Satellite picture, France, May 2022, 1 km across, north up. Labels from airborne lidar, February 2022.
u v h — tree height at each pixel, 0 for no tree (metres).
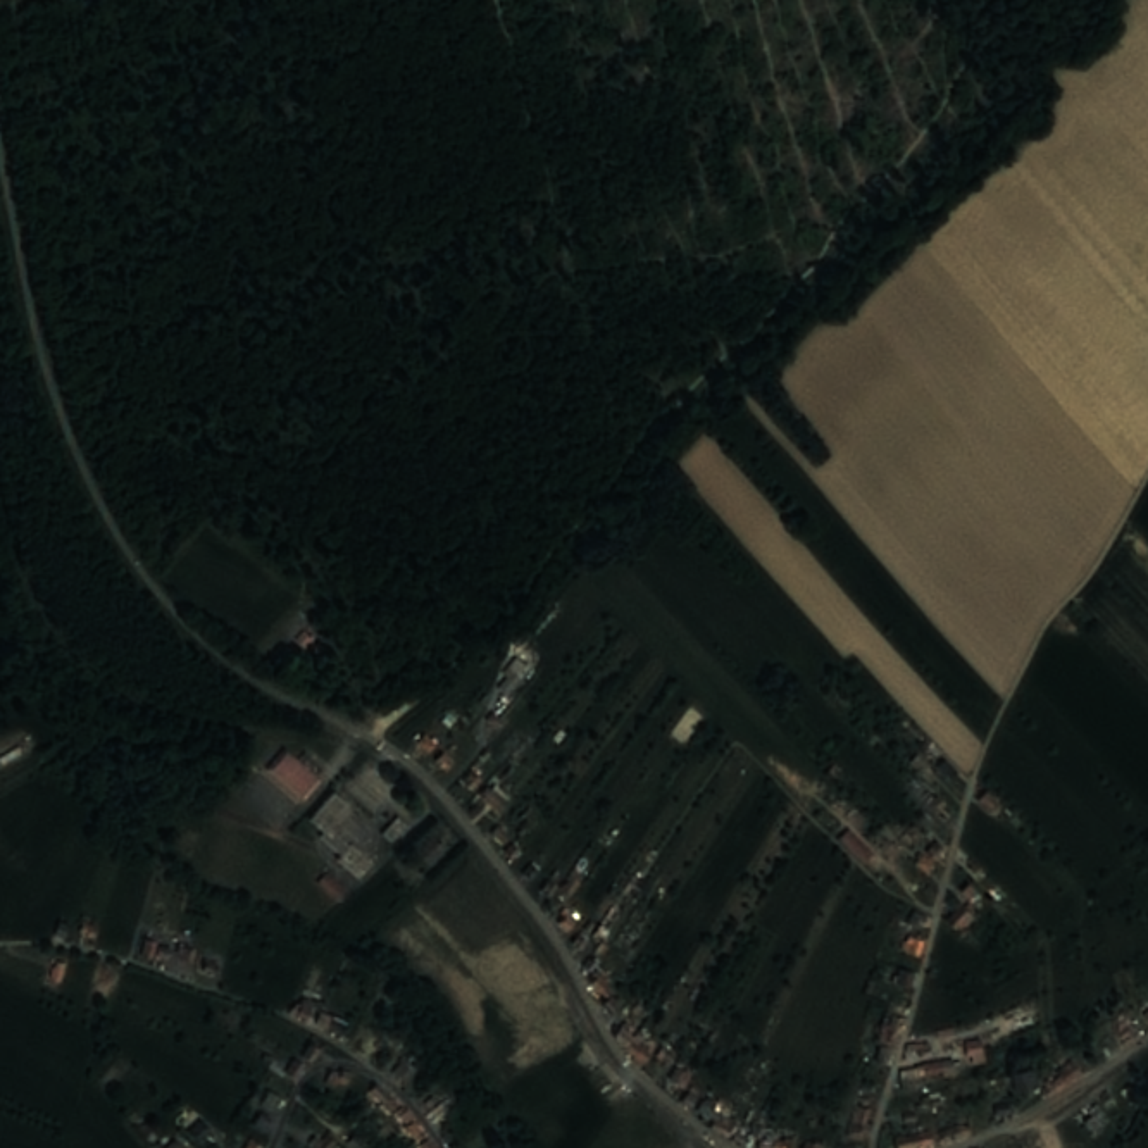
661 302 8
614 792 0
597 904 0
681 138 7
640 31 0
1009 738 0
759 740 0
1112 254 0
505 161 13
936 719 0
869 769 0
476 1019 0
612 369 8
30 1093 0
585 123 9
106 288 26
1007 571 0
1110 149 0
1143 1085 9
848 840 0
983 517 0
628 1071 0
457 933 0
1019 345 0
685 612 0
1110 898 0
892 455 0
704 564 0
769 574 0
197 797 25
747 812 0
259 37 30
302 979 0
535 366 9
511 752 0
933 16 36
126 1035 0
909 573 0
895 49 0
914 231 18
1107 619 0
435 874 8
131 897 0
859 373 0
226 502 27
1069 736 0
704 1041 8
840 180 35
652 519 16
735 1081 0
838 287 29
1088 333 0
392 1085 0
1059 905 0
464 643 27
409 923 0
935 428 0
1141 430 0
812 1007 0
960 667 0
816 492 0
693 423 15
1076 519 0
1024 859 0
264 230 29
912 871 0
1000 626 0
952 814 0
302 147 9
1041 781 0
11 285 22
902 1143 0
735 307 15
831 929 0
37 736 0
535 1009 0
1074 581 0
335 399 11
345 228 29
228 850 0
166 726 26
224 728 11
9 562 19
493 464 11
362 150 7
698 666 0
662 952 0
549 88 10
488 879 0
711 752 8
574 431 9
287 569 15
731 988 0
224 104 34
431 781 0
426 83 14
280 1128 0
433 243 13
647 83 6
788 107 0
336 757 0
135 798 10
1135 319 0
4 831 0
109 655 24
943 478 0
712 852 0
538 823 0
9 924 0
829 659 0
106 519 0
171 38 13
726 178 7
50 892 0
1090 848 0
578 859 0
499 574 13
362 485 14
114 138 9
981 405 0
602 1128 0
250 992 0
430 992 20
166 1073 0
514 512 11
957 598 0
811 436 17
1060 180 0
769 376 22
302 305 18
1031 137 18
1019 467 0
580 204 11
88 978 0
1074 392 0
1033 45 30
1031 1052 16
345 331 13
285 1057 0
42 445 24
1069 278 0
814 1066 0
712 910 0
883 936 0
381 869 0
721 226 0
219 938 0
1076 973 0
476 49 13
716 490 0
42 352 0
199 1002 0
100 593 23
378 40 13
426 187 10
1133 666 0
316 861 0
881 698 0
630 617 0
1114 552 0
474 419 11
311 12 10
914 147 0
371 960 23
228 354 13
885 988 0
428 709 0
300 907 0
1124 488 0
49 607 26
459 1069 9
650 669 0
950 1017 0
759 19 0
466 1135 0
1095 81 0
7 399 24
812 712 0
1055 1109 0
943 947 0
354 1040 0
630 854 0
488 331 10
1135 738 0
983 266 0
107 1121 0
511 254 36
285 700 0
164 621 22
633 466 14
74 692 26
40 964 0
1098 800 0
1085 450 0
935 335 0
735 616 0
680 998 0
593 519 9
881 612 0
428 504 19
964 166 28
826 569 0
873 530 0
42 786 0
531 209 12
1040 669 0
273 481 14
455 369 7
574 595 0
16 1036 0
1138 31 0
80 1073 0
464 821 0
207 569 0
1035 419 0
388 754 0
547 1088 0
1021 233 0
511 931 0
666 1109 0
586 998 0
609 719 6
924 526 0
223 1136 0
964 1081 0
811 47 0
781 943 0
